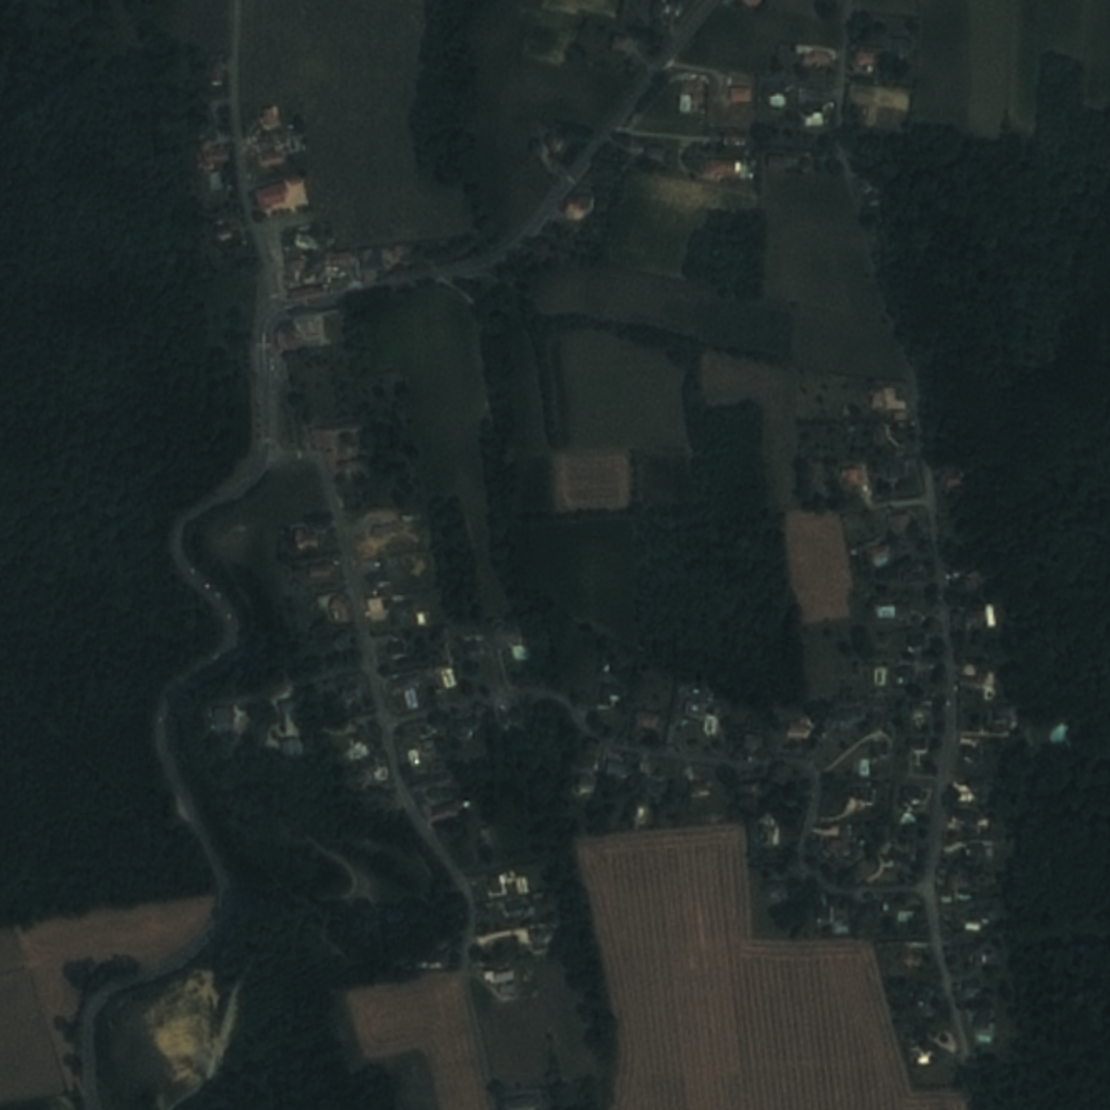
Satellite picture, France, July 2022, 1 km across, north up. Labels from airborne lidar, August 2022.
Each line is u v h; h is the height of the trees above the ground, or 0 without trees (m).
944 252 21
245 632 8
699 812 0
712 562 20
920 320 16
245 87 0
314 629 8
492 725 16
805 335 0
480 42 0
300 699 13
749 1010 0
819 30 0
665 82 13
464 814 13
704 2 0
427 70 9
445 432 0
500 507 16
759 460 18
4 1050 0
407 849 7
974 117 0
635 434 0
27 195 21
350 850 10
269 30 0
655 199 0
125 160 23
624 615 0
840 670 0
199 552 7
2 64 16
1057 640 26
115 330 27
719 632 19
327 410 0
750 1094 0
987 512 18
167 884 21
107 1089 0
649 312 0
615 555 0
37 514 31
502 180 0
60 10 21
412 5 0
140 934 0
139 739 12
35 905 18
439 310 0
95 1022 7
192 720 22
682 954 0
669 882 0
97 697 25
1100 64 0
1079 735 21
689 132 0
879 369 0
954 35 0
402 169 0
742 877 0
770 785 7
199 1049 0
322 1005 18
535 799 15
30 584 19
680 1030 0
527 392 0
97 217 20
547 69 0
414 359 0
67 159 25
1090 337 21
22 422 24
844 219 0
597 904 0
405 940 23
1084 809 19
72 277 24
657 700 6
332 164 0
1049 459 21
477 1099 0
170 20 0
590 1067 0
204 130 10
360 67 0
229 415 16
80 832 26
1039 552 22
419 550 0
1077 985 19
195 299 12
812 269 0
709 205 0
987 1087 19
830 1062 0
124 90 27
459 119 17
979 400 19
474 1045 0
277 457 0
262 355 0
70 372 22
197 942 0
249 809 19
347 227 0
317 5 0
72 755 20
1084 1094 11
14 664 23
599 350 0
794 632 14
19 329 24
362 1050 0
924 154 20
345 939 9
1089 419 20
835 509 16
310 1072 23
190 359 22
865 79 7
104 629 27
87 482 19
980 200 32
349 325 6
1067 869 27
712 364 0
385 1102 16
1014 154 13
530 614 23
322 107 0
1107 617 23
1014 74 0
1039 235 25
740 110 0
